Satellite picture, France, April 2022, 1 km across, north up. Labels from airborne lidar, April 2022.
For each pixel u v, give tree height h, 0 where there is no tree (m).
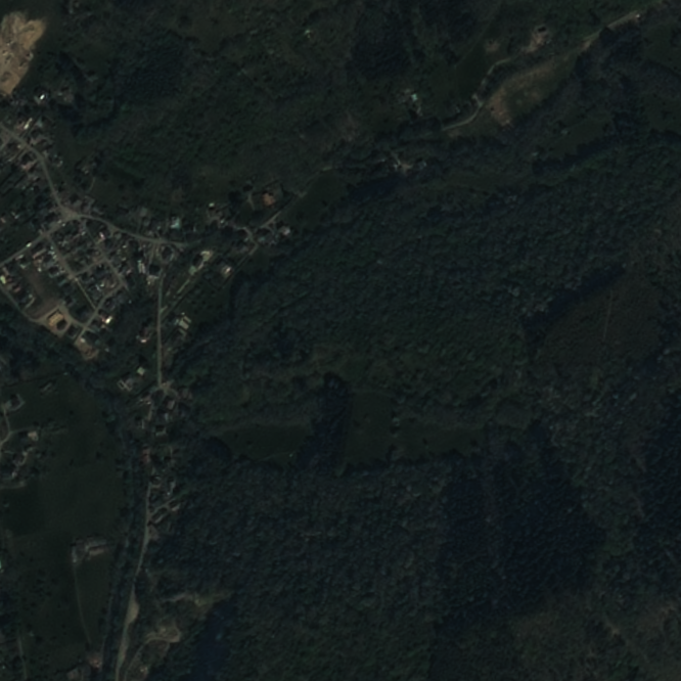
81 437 0
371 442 0
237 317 26
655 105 0
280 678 18
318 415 29
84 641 0
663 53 0
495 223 22
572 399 20
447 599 8
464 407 21
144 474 7
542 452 12
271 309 19
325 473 24
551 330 24
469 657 17
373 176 11
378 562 8
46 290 0
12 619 22
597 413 16
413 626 7
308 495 13
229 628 5
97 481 0
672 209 12
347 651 9
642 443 21
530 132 24
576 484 22
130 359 8
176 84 13
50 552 0
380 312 12
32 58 0
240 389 19
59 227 0
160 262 0
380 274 17
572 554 25
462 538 29
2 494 0
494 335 10
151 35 16
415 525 21
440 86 0
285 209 20
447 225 19
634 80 18
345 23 24
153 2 25
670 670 18
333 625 9
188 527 16
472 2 21
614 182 18
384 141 19
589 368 11
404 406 20
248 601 11
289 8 7
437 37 15
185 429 9
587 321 8
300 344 6
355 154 21
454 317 6
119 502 0
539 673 30
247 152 19
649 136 23
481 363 15
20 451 9
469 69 0
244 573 14
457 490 27
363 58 29
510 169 15
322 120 29
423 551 12
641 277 7
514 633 15
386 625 7
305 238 8
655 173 17
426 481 14
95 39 19
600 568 23
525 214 22
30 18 0
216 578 13
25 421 0
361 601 10
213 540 15
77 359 23
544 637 23
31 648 0
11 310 16
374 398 0
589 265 16
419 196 20
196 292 6
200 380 11
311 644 12
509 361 8
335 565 8
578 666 20
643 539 10
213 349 13
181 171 22
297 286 17
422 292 14
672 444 27
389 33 28
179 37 11
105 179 14
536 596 27
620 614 20
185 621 12
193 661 13
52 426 9
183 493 6
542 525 36
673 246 23
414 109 0
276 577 9
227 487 19
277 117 20
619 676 11
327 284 6
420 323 6
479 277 15
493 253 17
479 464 19
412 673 7
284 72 18
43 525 0
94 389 18
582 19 11
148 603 12
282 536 18
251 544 18
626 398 21
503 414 24
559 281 7
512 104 0
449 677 15
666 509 24
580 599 25
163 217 9
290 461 0
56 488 0
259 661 11
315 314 9
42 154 0
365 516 13
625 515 20
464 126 0
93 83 10
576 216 13
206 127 15
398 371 14
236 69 10
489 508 27
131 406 10
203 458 9
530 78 0
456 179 0
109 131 14
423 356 13
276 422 19
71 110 13
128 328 24
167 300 0
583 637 23
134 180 0
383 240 22
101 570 0
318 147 21
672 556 18
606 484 21
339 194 0
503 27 15
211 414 18
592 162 20
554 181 16
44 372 0
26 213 9
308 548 11
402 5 26
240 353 17
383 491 17
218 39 0
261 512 15
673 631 17
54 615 0
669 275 13
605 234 13
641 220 13
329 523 9
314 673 7
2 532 0
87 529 0
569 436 17
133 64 22
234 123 11
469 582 11
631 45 27
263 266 0
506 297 15
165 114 11
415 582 9
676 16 22
